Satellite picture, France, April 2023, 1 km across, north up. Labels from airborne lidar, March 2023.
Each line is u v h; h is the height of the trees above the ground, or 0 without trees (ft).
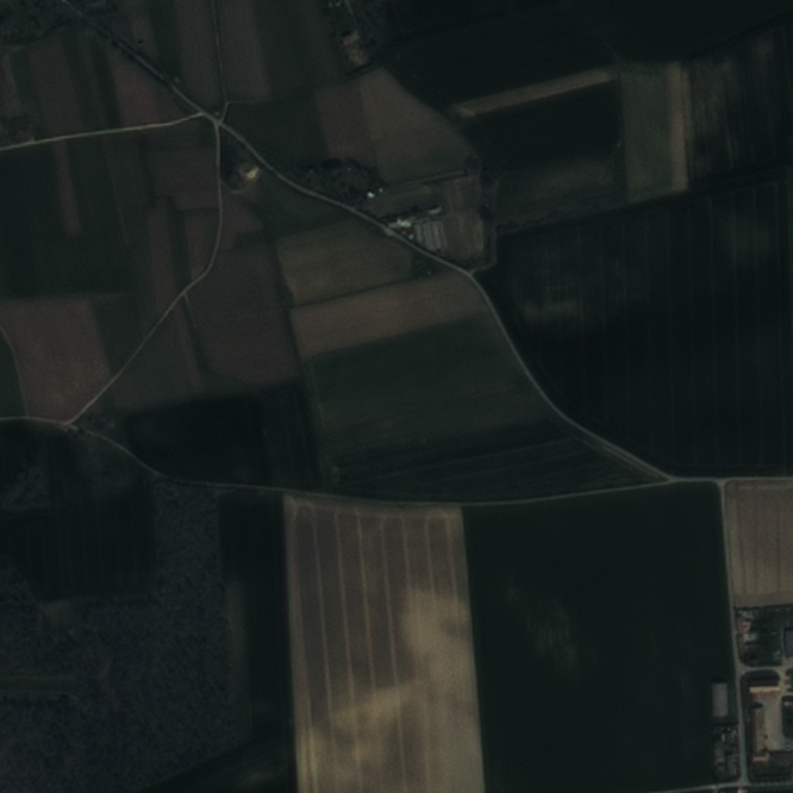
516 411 0
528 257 0
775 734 0
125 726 60
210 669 55
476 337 0
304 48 0
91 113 0
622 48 0
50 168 0
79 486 0
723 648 0
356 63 0
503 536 0
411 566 0
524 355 0
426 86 0
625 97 0
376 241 0
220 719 42
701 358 0
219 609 26
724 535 0
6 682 0
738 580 0
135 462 0
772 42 0
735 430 0
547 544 0
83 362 0
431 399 0
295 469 0
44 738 69
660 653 0
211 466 0
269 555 0
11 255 0
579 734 0
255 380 0
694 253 0
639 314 0
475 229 0
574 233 0
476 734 0
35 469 50
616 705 0
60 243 0
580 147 0
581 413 0
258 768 0
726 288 0
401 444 0
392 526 0
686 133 0
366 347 0
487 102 0
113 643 58
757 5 0
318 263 0
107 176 0
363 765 0
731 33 0
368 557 0
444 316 0
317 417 0
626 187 0
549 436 0
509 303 0
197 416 0
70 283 0
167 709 60
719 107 0
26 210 0
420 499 0
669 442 0
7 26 59
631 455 0
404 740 0
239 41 0
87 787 51
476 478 0
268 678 0
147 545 0
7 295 0
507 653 0
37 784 60
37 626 40
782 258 0
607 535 0
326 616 0
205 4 0
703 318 0
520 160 0
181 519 23
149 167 0
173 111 0
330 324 0
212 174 0
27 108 0
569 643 0
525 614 0
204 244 0
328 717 0
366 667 0
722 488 0
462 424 0
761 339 0
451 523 0
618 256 0
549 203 0
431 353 0
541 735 0
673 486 0
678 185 0
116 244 0
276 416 0
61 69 0
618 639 0
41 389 0
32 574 0
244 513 0
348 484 0
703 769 0
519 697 0
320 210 0
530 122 0
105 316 0
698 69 0
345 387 0
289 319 0
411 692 0
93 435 0
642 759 0
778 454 0
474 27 0
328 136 0
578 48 0
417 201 0
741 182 0
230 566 0
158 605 54
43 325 0
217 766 0
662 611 0
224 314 0
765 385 0
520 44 0
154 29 0
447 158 0
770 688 0
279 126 0
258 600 0
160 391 0
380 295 0
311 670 0
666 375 0
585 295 0
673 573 0
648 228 0
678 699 0
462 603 0
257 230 0
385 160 0
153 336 0
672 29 0
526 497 0
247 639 0
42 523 0
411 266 0
